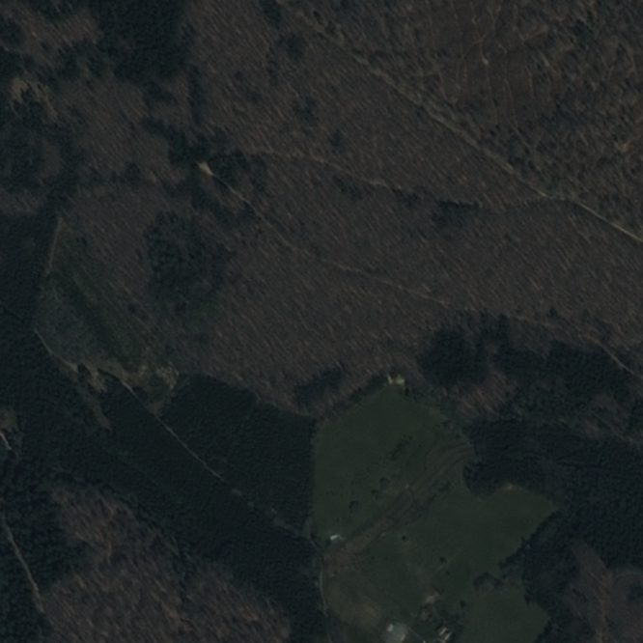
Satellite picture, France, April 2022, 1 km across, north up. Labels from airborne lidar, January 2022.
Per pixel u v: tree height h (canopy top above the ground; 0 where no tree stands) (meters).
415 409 0
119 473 25
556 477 26
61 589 29
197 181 23
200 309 20
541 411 30
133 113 0
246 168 31
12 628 37
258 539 25
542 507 0
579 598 19
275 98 0
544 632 0
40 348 33
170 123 0
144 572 28
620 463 24
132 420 24
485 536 0
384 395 0
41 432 23
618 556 26
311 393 26
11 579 30
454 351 22
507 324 23
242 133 0
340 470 0
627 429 21
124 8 31
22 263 23
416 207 25
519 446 27
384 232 0
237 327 0
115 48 25
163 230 25
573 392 26
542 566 21
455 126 22
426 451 0
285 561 24
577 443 26
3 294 26
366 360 0
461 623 13
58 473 21
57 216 20
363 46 27
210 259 25
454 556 0
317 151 0
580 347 18
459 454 0
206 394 16
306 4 21
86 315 7
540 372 19
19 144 26
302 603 28
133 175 22
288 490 9
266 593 30
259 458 7
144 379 0
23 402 23
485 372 21
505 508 0
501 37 9
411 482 0
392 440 0
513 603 0
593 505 25
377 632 0
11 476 32
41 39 0
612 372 30
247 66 0
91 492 29
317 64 0
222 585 32
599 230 0
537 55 33
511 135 7
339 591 0
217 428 16
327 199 0
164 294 20
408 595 0
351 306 0
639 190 32
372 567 0
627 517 29
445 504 0
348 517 0
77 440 21
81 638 28
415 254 0
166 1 28
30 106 28
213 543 14
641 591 18
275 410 8
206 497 18
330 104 0
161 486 20
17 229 23
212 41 20
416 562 0
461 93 7
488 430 25
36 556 29
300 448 8
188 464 17
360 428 0
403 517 0
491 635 0
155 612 31
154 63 30
